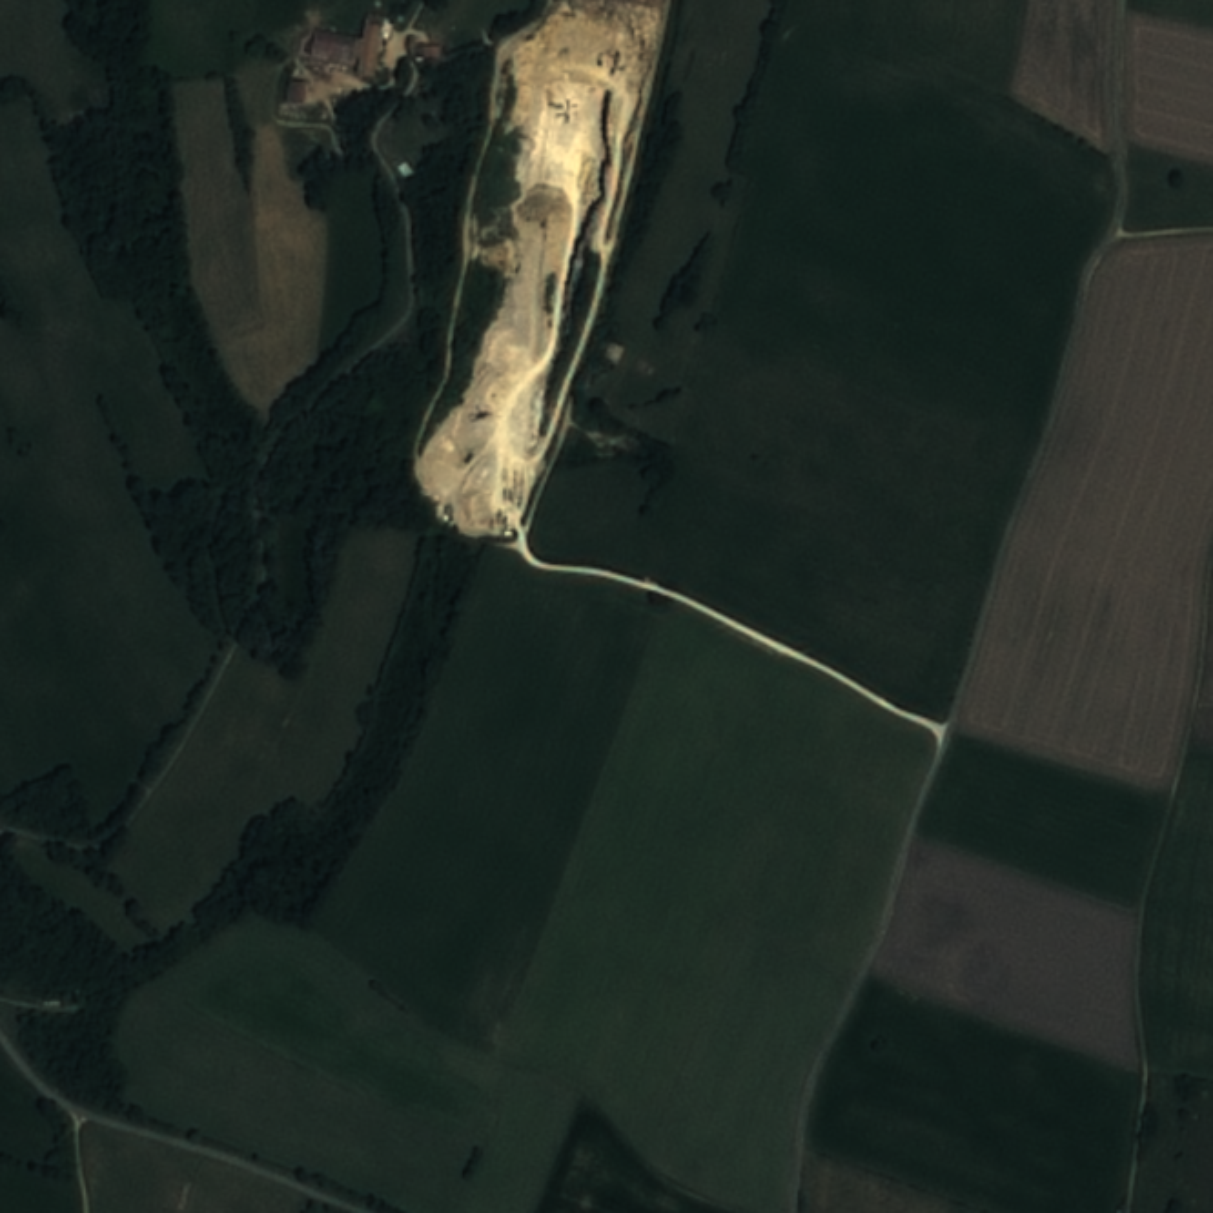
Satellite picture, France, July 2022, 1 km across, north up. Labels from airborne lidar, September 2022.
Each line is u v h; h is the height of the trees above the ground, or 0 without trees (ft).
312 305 0
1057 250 0
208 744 0
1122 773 0
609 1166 0
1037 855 0
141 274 37
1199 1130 0
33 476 0
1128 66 0
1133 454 0
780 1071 0
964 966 0
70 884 0
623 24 0
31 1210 0
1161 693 0
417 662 22
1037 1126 0
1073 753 0
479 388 0
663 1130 0
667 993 0
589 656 0
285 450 53
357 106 63
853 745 0
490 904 0
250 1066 0
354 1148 0
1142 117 0
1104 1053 0
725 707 0
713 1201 0
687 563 0
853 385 0
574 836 0
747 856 0
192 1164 0
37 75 0
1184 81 0
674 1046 0
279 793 0
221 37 0
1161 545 0
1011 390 0
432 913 0
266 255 0
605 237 0
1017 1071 0
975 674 0
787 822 0
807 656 0
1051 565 0
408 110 27
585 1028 0
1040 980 0
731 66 0
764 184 0
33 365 0
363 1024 0
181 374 70
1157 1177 0
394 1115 0
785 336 0
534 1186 0
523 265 0
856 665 0
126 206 49
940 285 0
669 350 0
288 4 0
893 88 0
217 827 0
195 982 0
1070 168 0
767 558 0
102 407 29
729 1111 0
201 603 60
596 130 0
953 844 0
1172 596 0
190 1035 0
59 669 0
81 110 0
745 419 0
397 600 0
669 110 31
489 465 0
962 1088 0
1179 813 0
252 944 0
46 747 0
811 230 0
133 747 0
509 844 0
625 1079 0
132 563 0
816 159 0
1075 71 0
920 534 0
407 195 38
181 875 0
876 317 0
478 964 0
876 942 0
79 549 0
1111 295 0
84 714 0
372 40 0
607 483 0
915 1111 0
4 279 24
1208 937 0
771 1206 0
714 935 0
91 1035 22
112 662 0
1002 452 0
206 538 60
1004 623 0
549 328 0
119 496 0
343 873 42
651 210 34
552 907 0
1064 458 0
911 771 0
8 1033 0
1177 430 0
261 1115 0
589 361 25
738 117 37
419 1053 0
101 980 41
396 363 38
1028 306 0
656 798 0
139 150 57
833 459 0
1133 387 0
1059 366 0
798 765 0
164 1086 0
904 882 0
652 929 0
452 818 0
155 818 0
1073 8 0
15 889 51
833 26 0
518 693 0
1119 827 0
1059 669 0
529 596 0
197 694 39
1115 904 0
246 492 62
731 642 0
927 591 0
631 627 0
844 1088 0
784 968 0
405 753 21
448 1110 0
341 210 0
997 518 0
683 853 0
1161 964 0
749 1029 0
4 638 0
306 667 54
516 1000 0
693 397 0
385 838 0
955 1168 0
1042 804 0
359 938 0
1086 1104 0
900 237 0
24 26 0
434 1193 0
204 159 0
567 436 0
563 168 0
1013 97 0
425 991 0
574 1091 0
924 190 0
